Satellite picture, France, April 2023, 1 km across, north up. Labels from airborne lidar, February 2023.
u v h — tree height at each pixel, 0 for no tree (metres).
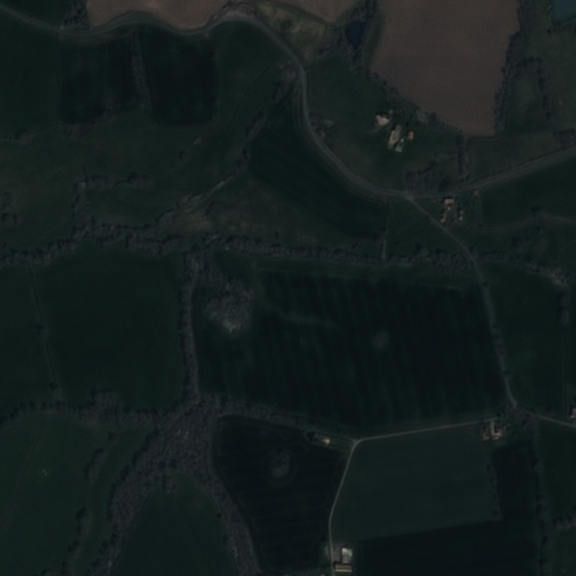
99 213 0
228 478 0
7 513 0
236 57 0
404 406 0
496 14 0
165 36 0
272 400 0
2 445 0
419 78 0
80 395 0
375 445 0
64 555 0
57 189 0
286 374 0
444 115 0
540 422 11
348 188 0
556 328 0
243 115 0
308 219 0
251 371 0
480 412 0
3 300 0
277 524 0
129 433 0
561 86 0
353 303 0
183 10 0
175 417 14
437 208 0
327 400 0
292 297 0
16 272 0
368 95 0
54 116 0
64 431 0
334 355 0
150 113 0
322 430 0
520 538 0
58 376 0
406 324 0
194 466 12
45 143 0
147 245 17
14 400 0
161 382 0
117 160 0
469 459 0
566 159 0
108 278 0
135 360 0
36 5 0
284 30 0
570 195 0
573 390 0
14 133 0
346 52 12
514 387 0
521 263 13
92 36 0
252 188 0
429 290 0
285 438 0
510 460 0
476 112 0
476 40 0
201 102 0
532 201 0
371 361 0
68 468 0
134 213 0
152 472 14
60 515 0
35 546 0
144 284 0
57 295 0
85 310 0
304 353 0
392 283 0
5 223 15
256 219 0
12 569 0
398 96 14
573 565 0
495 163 0
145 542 0
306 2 0
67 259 0
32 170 0
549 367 0
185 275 7
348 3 0
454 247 0
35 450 0
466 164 15
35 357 0
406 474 0
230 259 0
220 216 0
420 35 0
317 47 0
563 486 0
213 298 6
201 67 0
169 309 0
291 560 0
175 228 0
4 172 0
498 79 0
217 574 0
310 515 0
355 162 0
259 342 0
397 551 0
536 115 0
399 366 0
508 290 0
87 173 0
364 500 0
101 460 21
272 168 0
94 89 0
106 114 14
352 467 0
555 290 0
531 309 0
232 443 0
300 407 0
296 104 0
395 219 0
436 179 21
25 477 0
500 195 0
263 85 0
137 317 0
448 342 0
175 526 0
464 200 0
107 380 0
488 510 0
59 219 0
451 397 0
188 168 0
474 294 0
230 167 0
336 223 0
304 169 0
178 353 0
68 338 0
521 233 0
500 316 0
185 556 0
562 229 0
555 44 0
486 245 0
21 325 0
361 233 0
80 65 0
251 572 6
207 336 0
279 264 0
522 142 0
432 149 0
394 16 0
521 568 0
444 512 0
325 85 0
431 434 0
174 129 0
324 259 14
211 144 0
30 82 0
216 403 15
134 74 14
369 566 0
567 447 0
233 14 0
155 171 0
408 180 15
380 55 0
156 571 0
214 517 0
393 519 0
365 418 0
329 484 0
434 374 0
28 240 0
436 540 0
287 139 0
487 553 0
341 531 0
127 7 0
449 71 0
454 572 0
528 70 12
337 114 0
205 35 0
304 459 0
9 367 0
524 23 15
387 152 0
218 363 0
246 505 0
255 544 0
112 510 19
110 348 0
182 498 0
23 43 0
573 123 0
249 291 13
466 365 0
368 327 0
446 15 0
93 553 0
